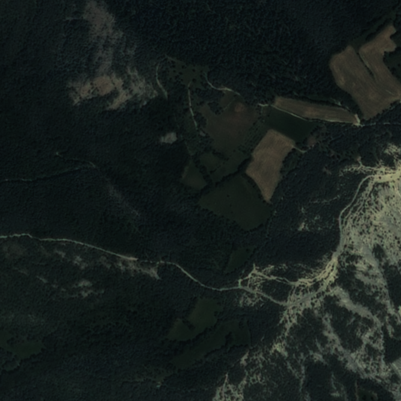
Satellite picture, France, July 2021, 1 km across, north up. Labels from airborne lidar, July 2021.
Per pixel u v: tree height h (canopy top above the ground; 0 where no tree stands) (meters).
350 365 0
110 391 9
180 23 12
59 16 12
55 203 19
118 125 13
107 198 8
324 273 0
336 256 0
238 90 9
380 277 0
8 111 21
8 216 16
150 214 17
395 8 15
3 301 8
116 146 15
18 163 20
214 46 19
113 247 7
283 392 8
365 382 13
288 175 6
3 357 10
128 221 9
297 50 17
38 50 20
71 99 6
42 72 21
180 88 10
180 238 15
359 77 0
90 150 16
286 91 12
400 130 12
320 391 12
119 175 10
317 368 12
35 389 16
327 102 9
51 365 16
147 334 8
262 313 10
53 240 7
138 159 6
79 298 7
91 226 16
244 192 0
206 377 6
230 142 0
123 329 8
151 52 8
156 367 7
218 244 18
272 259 6
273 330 7
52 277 9
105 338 11
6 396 11
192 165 0
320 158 11
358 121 0
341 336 8
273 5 23
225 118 0
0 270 8
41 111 16
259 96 8
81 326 10
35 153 15
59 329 12
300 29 13
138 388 8
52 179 21
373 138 12
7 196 14
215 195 0
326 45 13
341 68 0
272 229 8
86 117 9
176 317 14
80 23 7
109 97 7
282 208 8
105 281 12
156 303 16
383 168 0
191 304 12
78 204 19
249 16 21
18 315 6
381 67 0
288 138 0
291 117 0
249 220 0
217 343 0
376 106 0
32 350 0
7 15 10
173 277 8
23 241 6
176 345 13
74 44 8
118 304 7
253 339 10
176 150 19
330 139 10
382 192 0
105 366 9
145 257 11
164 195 18
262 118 6
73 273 7
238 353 9
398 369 0
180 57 14
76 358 7
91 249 7
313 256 9
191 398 11
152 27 23
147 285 8
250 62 14
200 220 14
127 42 6
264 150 0
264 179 0
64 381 6
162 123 15
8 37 10
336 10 23
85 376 12
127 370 12
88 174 18
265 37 9
